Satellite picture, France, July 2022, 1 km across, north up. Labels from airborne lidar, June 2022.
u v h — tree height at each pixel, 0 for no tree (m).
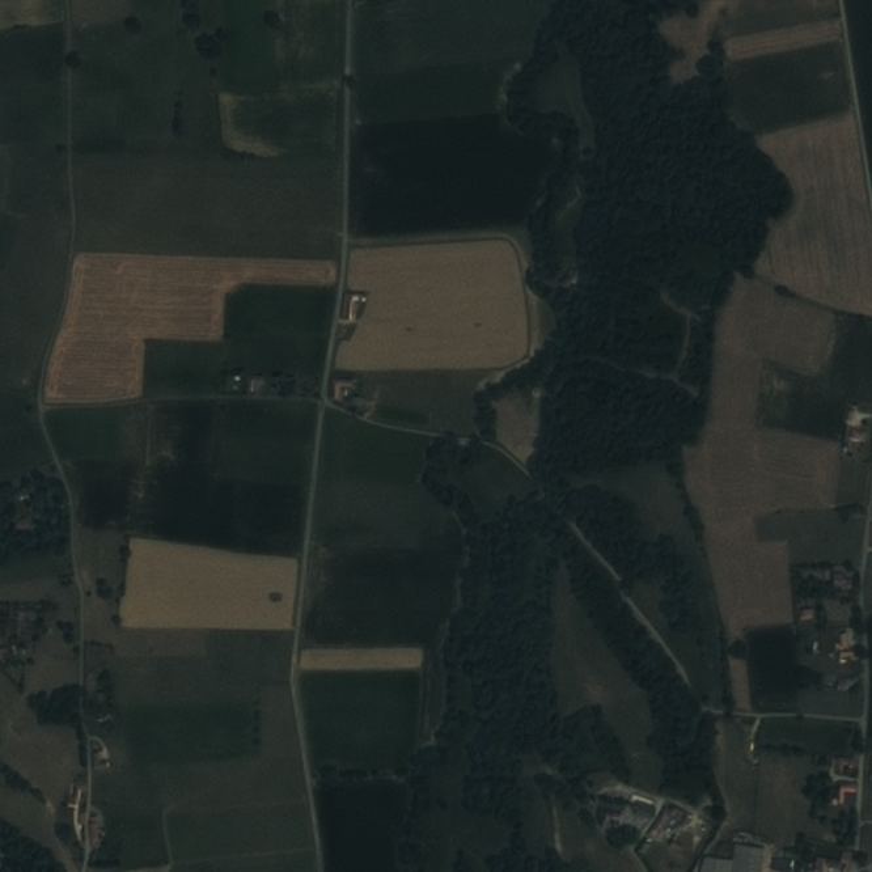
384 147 0
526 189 0
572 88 0
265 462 0
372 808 0
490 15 0
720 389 0
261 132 0
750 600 0
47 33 0
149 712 0
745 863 0
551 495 21
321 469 0
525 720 22
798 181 0
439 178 0
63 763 0
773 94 0
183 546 0
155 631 0
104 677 8
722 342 0
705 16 0
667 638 0
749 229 20
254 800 0
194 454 0
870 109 0
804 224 0
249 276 0
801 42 0
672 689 24
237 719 0
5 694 0
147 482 0
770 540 0
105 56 0
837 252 0
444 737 19
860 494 0
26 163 0
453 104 0
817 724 0
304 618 0
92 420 0
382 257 0
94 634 0
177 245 0
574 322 25
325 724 0
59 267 0
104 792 0
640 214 16
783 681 0
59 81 0
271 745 0
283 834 0
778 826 0
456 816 0
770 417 0
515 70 0
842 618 0
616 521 21
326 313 0
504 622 25
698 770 13
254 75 0
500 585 23
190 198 0
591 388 11
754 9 0
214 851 0
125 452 0
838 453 0
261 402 0
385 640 0
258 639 0
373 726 0
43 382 0
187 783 0
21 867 9
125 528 0
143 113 0
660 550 9
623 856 0
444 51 0
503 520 24
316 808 0
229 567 0
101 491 0
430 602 0
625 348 13
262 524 0
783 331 0
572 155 13
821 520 0
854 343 0
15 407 0
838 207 0
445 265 0
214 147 0
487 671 22
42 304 0
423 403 0
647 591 0
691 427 22
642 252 13
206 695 0
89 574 0
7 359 0
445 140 0
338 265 0
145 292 0
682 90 9
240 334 0
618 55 25
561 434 19
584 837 0
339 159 0
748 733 0
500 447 0
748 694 0
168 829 0
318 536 0
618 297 23
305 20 0
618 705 0
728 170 25
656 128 14
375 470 0
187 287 0
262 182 0
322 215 0
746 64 0
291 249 0
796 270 0
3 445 0
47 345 0
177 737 0
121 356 0
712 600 0
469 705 0
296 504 0
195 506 0
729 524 0
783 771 0
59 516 24
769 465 0
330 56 0
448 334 0
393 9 0
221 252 0
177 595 0
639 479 0
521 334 0
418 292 0
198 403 0
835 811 0
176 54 0
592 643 0
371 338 0
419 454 0
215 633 0
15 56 0
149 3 0
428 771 19
